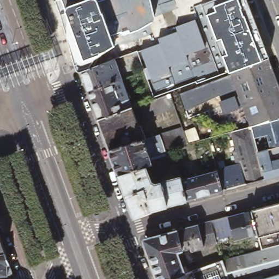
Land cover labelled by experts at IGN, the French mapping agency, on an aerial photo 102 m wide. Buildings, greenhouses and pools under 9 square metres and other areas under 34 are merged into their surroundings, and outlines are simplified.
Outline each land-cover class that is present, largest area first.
<instances>
[{"label":"building","instance_id":"1","mask_svg":"<svg viewBox=\"0 0 279 279\"><path fill-rule=\"evenodd\" d=\"M69 19L65 22L66 43L69 44L78 65L92 63L118 47L116 39L111 38V33L128 36L130 32L153 22L156 15L173 12L177 9L175 0H62ZM199 19L208 39L207 43H203L195 21L182 24L177 27V32L162 37L158 45L137 50L136 58L143 56L144 71L148 86L144 93H136L130 80L128 78L123 82L116 60H110L85 70L81 81L86 97H96L99 101L93 106L94 114L90 120L94 128L101 129L105 135L114 169L121 170L117 172V175H120L118 183L132 220L184 205L186 196L201 198L208 196L209 193L213 194L215 190L254 183L262 181L263 178L269 184L279 182V84L246 0H211L197 7ZM207 81L206 85L181 94L184 108L187 110L202 109L210 99L236 92L238 97L220 99V106L221 114H232L239 122L248 123L247 128L238 129L231 131L227 136L229 148L226 154L233 162L225 168L223 178L219 179L217 171H210L191 178L182 177L179 173L178 179L169 180L161 185L150 182L146 170L151 166V161L158 158V153L169 155L170 151L184 147L186 141L195 142L198 139L195 129H180V120L170 94L175 90ZM230 235L235 241L256 239L254 246L259 247L257 252L232 257L225 262L221 260L193 271H186L180 255L186 251H199L204 256L215 253L216 245L227 242ZM143 239L150 258L148 271L150 274H156L157 279H279V204L208 220L201 231L198 225L185 227L183 246L180 244L177 230L163 235H145ZM12 270L0 243V278L11 276Z\"/></svg>","mask_w":279,"mask_h":279},{"label":"impervious surface","instance_id":"2","mask_svg":"<svg viewBox=\"0 0 279 279\"><path fill-rule=\"evenodd\" d=\"M211 0H175L177 9L173 12L156 15L153 22L130 32L128 36L111 33V38L116 39L118 47L92 63L78 65L69 44L66 43L65 22L69 19L62 0H35L41 22L52 45L51 49L36 54L29 46L15 0H0V159L9 157L16 151H22L52 240L57 242L59 252L58 258L28 268L19 233L16 226L12 225V218L0 189V243L12 270L11 276L0 278V279H106L98 262L95 244L112 238H121L135 279H157L156 274H150L148 271L150 258L143 239L145 235H163L177 230L180 244L183 246L185 227L198 225L201 231L208 220L279 204V182L269 184L263 178L262 181L254 183L215 190L213 194L209 193L208 196L201 198L186 196L184 205L132 220L118 183L120 175H117V172L121 170L114 169L105 135L101 129L94 128L90 120L94 114L93 106L99 101L96 97H86L81 81L85 70L110 60H116L123 82L128 78L130 80L132 66L144 71L143 56L136 58L137 50L158 45L162 37L177 32V27L182 24L195 21L203 43H207L208 39L199 19L197 7ZM66 102L72 105L90 158L96 168L98 180L107 196L110 208L105 213L89 217L82 215L61 155L53 142L48 121L49 112ZM279 84V0H246ZM207 81L175 90L170 94L180 120V129H195L198 139L195 142L186 141L184 147L170 151L169 155L158 153V158L151 161V166L146 170L150 182L161 185L169 180L178 179L179 173L182 177L191 178L210 171H217L219 179L223 178L225 168L233 162L226 154L219 153L220 147L210 143V139L213 138L209 133L211 129L206 131L199 128L196 123L197 117L207 116L215 123L234 124L238 129L247 128L248 123L239 122L232 114H221L220 106V99L238 97L236 92L210 99L202 109L187 110L184 108L181 94L206 85ZM256 239L235 241L230 235L227 242L216 245L215 253L204 256L199 251H186L180 255L186 271H193L221 260L219 255L222 254V250L254 246Z\"/></svg>","mask_w":279,"mask_h":279},{"label":"deciduous trees","instance_id":"3","mask_svg":"<svg viewBox=\"0 0 279 279\"><path fill-rule=\"evenodd\" d=\"M29 46L36 54L51 49L52 45L41 22L35 0H15ZM48 121L53 142L61 155L82 215L89 217L105 213L110 208L107 196L98 180L96 168L90 158L72 105L66 102L49 112ZM0 189L12 218V225L16 226L19 233L28 268L58 258L59 252L57 242L52 240L22 151H16L9 157L0 159ZM98 262L106 279H135L121 238H112L95 244Z\"/></svg>","mask_w":279,"mask_h":279},{"label":"brushwood","instance_id":"4","mask_svg":"<svg viewBox=\"0 0 279 279\"><path fill-rule=\"evenodd\" d=\"M130 80L136 93H144L148 86L144 71L132 66ZM196 123L199 128L206 131L211 129L209 133L213 138L210 139V143L220 147L219 153L226 154L229 148L227 136L231 131L238 129L234 124L215 123L207 116L197 117ZM259 247L254 246L222 250V254L219 255L221 260L225 262L232 257L257 252Z\"/></svg>","mask_w":279,"mask_h":279}]
</instances>
